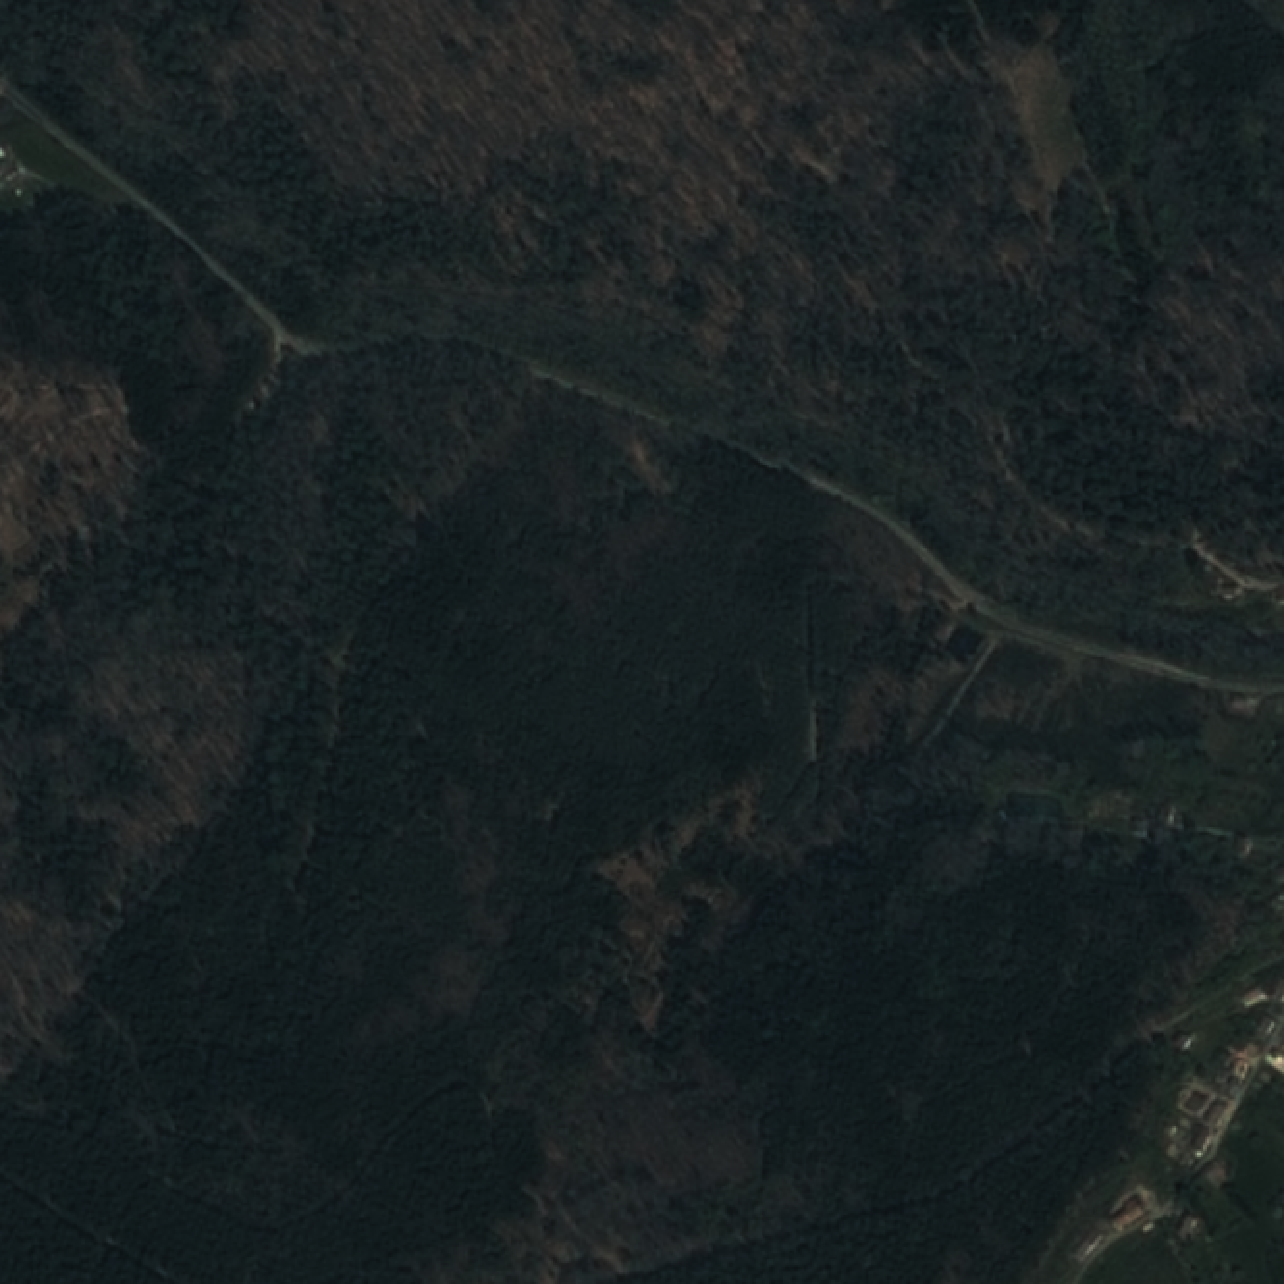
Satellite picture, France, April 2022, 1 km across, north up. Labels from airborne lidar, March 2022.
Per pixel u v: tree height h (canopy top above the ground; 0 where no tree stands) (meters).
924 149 26
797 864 17
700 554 16
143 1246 23
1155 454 29
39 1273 23
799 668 20
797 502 19
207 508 26
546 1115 14
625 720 19
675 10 22
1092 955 16
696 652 19
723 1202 8
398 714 17
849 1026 16
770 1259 27
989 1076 15
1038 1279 0
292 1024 8
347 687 11
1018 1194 27
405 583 18
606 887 19
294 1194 20
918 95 24
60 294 19
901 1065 21
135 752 26
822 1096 16
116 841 30
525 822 11
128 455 29
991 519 17
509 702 18
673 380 23
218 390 12
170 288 24
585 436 17
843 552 16
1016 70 29
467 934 11
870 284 28
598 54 24
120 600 23
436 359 30
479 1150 17
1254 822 0
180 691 24
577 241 30
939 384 31
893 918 22
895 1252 28
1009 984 16
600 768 15
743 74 23
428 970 11
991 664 0
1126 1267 0
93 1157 21
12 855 28
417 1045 19
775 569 18
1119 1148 23
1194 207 30
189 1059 25
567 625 19
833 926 22
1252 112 24
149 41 28
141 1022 22
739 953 22
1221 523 31
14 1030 29
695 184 32
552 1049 19
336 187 29
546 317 22
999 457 26
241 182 27
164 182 24
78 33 27
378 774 14
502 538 20
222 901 12
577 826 18
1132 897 18
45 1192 24
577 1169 13
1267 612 9
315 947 9
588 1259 23
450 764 19
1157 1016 14
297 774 17
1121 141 26
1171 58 22
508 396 27
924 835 25
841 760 10
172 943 21
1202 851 18
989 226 29
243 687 27
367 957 11
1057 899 22
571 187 28
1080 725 0
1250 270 28
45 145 0
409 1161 18
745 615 18
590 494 15
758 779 11
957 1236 30
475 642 23
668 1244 25
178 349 28
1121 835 0
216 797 25
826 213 24
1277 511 32
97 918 30
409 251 35
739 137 24
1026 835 28
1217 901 17
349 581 30
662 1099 19
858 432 32
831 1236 24
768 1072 20
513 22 25
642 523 19
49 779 24
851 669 14
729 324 28
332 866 12
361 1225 17
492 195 7
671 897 7
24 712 22
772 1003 15
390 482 28
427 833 10
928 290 35
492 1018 19
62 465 28
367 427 22
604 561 14
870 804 23
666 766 18
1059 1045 19
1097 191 26
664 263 28
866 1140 18
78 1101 14
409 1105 17
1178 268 25
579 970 7
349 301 16
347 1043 16
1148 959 15
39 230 20
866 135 20
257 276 21
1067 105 0
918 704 19
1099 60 27
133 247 27
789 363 30
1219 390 20
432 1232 16
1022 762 19
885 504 16
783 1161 15
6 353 10
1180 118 13
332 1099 17
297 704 23
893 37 27
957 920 17
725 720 16
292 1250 20
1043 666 0
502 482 16
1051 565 20
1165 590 25
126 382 10
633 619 20
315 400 26
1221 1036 0
